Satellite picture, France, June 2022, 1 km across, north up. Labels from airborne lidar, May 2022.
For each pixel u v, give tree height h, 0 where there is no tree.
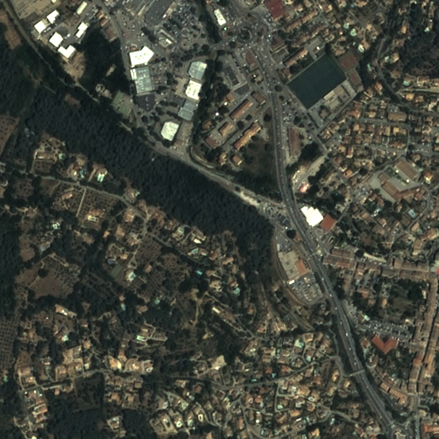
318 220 0
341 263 0
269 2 0
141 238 6
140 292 10
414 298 20
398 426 0
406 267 0
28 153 17
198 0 15
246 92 0
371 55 10
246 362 7
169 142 10
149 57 0
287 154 0
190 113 0
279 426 7
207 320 9
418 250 0
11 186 9
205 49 10
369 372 13
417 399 0
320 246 0
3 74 19
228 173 13
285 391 5
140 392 6
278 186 0
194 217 11
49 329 13
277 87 11
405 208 8
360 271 0
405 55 6
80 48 14
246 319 7
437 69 12
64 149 9
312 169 0
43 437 20
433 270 0
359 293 12
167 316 17
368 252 16
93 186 6
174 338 18
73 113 29
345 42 6
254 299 9
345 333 0
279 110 0
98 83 9
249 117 10
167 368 22
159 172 31
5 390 21
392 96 11
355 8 6
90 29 13
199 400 8
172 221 16
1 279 9
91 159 17
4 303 7
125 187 8
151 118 9
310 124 8
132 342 13
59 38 0
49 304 13
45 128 18
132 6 0
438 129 0
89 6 0
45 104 27
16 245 20
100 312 16
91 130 21
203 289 18
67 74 7
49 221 13
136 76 0
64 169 6
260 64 0
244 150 15
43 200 19
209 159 21
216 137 0
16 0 0
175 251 11
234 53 0
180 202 13
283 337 10
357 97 7
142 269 7
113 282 8
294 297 0
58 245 12
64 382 6
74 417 20
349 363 19
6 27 14
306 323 0
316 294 0
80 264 7
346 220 6
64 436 16
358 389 6
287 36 10
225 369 7
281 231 0
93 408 0
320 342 6
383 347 0
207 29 6
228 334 7
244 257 11
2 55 16
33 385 6
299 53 0
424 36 16
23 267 7
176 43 0
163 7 0
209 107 12
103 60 7
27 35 0
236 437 7
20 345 20
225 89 18
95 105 13
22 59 8
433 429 0
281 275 0
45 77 6
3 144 0
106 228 11
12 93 12
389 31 9
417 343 0
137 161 24
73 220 16
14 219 9
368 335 10
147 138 7
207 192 14
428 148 0
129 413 23
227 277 12
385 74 8
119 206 9
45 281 0
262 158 0
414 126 11
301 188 0
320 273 0
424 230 6
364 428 7
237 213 21
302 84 0
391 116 0
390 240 0
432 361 0
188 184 15
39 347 16
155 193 25
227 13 0
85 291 20
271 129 0
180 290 10
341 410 9
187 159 0
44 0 0
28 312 17
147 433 20
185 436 21
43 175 8
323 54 0
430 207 0
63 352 17
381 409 0
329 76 0
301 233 0
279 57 0
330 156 10
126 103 0
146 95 0
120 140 27
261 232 10
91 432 21
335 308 0
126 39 0
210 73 12
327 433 7
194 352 10
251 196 0
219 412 6
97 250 19
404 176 0
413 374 0
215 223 9
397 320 0
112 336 6
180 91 0
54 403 8
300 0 7
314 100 0
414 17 24
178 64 7
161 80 0
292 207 0
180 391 16
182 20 6
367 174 17
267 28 0
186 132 0
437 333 0
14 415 16
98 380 0
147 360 8
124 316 12
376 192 8
